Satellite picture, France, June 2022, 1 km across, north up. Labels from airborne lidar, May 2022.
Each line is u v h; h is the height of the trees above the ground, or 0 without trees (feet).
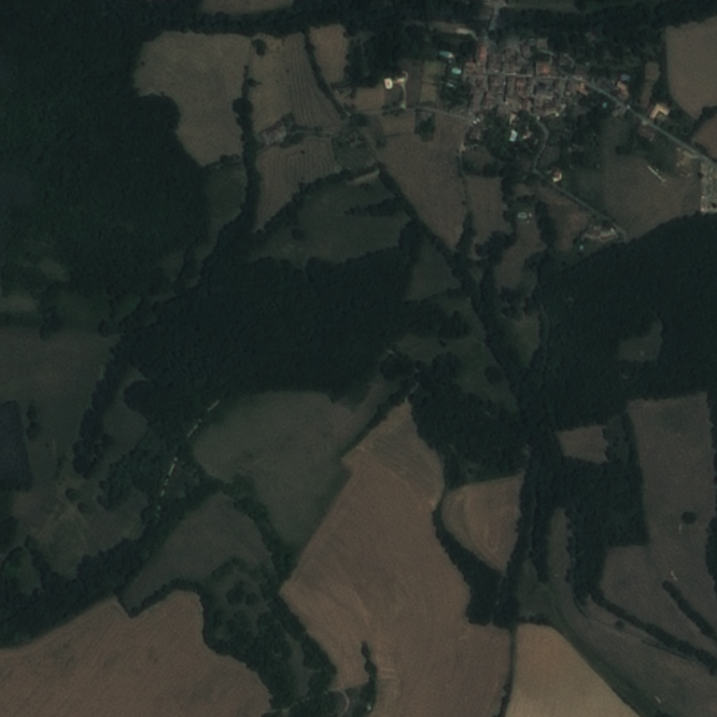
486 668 0
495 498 0
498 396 0
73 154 87
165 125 68
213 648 41
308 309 73
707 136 0
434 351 0
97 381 0
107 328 64
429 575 0
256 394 30
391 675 0
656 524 0
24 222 39
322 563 0
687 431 0
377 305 83
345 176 50
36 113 61
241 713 0
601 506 44
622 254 50
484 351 0
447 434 54
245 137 42
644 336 53
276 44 0
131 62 59
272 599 19
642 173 0
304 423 0
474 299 54
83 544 0
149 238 39
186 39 0
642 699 0
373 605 0
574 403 73
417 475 0
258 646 17
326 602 0
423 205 0
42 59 73
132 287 63
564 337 48
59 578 69
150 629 0
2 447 57
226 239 61
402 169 0
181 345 62
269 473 0
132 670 0
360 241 0
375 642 0
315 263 69
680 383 56
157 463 51
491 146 26
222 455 0
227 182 0
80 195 44
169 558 0
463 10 73
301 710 19
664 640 59
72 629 0
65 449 0
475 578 38
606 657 0
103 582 91
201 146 0
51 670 0
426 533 0
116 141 76
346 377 48
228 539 0
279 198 0
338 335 73
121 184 65
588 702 0
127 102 79
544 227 51
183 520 26
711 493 0
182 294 60
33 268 23
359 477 0
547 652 0
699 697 0
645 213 0
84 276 42
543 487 72
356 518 0
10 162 51
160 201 65
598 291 32
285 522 0
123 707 0
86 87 78
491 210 0
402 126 0
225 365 73
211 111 0
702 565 0
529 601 0
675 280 53
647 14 65
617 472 43
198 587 36
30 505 0
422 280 0
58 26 83
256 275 50
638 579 0
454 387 52
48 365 0
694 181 0
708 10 46
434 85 0
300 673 0
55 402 0
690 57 0
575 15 45
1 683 0
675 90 0
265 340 65
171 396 65
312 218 0
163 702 0
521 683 0
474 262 57
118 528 0
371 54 43
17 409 62
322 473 0
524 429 60
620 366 51
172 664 0
